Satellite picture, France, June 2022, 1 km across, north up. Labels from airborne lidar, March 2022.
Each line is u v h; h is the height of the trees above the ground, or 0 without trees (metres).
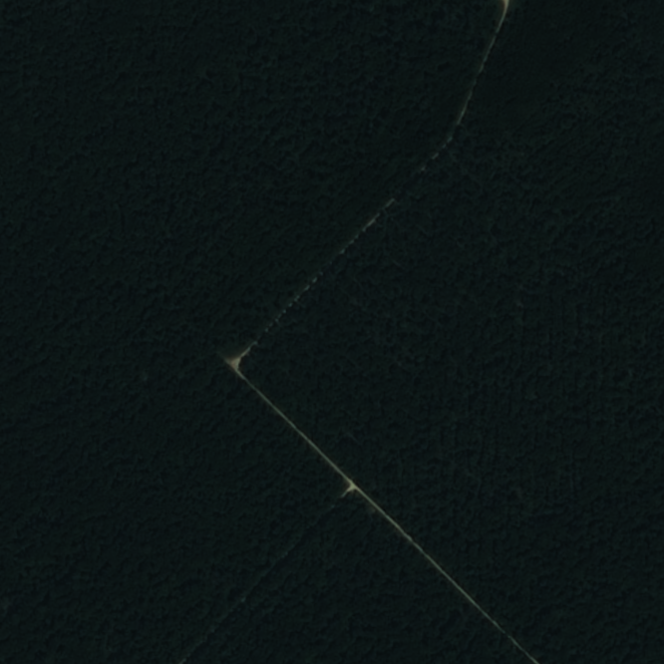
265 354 17
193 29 15
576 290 21
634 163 17
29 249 19
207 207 12
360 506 16
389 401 21
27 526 19
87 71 18
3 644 22
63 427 20
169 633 17
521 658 17
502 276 17
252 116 18
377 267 21
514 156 0
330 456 10
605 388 13
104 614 16
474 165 20
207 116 19
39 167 18
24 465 18
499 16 0
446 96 13
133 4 23
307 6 16
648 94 21
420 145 10
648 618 15
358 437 20
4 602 23
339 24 15
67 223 18
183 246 17
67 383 18
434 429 17
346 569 16
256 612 19
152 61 19
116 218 17
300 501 19
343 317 20
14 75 20
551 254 18
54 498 20
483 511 18
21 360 22
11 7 18
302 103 17
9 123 17
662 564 22
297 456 9
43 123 19
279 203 20
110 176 19
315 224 19
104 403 20
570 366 18
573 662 23
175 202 19
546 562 19
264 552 16
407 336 17
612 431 18
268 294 18
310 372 20
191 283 19
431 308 17
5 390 15
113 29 21
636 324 18
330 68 23
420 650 19
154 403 20
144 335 18
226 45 20
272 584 21
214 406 15
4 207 18
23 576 19
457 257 16
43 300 17
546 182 19
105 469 19
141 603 18
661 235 21
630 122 19
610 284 16
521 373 17
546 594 23
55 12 20
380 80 23
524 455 17
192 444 18
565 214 18
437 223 18
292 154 20
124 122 19
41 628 19
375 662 21
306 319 15
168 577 17
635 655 23
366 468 17
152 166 16
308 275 16
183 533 19
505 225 17
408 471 7
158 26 16
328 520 18
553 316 19
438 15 23
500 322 17
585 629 21
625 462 20
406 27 22
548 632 19
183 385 20
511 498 18
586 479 19
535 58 8
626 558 18
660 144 16
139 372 17
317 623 18
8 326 20
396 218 16
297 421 15
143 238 21
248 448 20
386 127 6
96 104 17
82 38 17
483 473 9
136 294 23
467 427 17
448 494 17
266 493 12
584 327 18
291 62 19
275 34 20
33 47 20
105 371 16
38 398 19
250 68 16
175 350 19
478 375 19
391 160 19
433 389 18
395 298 19
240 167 17
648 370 16
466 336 19
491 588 17
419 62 21
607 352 13
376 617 22
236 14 14
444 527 19
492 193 19
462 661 17
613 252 18
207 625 17
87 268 20
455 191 12
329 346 17
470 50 22
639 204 14
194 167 16
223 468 18
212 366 13
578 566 18
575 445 22
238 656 17
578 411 20
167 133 22
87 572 18
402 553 16
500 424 18
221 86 18
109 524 21
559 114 11
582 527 23
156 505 21
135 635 17
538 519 18
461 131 15
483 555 18
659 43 20
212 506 18
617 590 16
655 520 21
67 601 24
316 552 20
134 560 19
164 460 19
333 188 17
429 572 17
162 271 20
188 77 17
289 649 24
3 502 19
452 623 24
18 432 17
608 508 20
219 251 18
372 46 21
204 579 19
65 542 23
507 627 16
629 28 20
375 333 22
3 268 18
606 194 16
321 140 17
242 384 17
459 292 19
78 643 19
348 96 20
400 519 18
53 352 17
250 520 17
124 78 20
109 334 18
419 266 20
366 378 16
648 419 16
